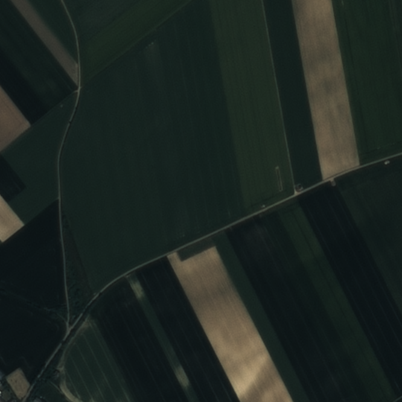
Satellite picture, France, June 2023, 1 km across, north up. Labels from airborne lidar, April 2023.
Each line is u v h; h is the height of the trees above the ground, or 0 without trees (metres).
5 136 0
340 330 0
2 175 0
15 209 0
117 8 0
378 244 0
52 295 0
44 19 0
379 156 0
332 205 0
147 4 0
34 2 0
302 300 0
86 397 0
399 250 0
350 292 0
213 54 0
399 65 0
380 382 0
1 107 0
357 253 0
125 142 0
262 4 0
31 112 0
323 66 0
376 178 0
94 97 0
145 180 0
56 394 0
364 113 0
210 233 0
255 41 0
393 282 0
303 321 0
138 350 0
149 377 0
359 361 0
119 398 0
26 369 0
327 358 0
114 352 0
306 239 0
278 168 0
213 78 0
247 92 0
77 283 0
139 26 0
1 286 0
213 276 0
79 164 0
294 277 0
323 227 0
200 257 0
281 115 0
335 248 0
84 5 0
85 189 0
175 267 0
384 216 0
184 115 0
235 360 0
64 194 0
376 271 0
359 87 0
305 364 0
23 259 0
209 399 0
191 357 0
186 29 0
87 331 0
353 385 0
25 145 0
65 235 0
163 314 0
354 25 0
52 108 0
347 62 0
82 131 0
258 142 0
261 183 0
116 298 0
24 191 0
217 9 0
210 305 0
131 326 0
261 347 0
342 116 0
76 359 0
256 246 0
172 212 0
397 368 0
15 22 0
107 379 0
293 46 0
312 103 0
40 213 0
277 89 0
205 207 0
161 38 0
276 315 0
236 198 0
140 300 0
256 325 0
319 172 0
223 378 0
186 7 0
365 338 0
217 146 0
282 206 0
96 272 0
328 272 0
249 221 0
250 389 0
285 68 0
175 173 0
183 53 0
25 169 0
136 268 0
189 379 0
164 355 0
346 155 0
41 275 0
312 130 0
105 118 0
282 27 0
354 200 0
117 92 0
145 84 0
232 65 0
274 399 0
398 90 0
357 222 0
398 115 0
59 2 0
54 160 0
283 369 0
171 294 0
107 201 0
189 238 0
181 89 0
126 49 0
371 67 0
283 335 0
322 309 0
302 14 0
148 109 0
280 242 0
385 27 0
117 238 0
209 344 0
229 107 0
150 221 0
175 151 0
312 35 0
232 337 0
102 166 0
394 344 0
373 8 0
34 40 0
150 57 0
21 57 0
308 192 0
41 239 0
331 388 0
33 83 0
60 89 0
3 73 0
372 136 0
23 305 0
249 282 0
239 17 0
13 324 0
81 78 0
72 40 0
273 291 0
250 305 0
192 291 0
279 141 0
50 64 0
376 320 0
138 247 0
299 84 0
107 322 0
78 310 6
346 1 0
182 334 0
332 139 0
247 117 0
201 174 0
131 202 0
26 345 0
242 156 0
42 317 0
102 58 0
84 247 0
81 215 0
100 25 0
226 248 0
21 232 0
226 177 0
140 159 0
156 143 0
